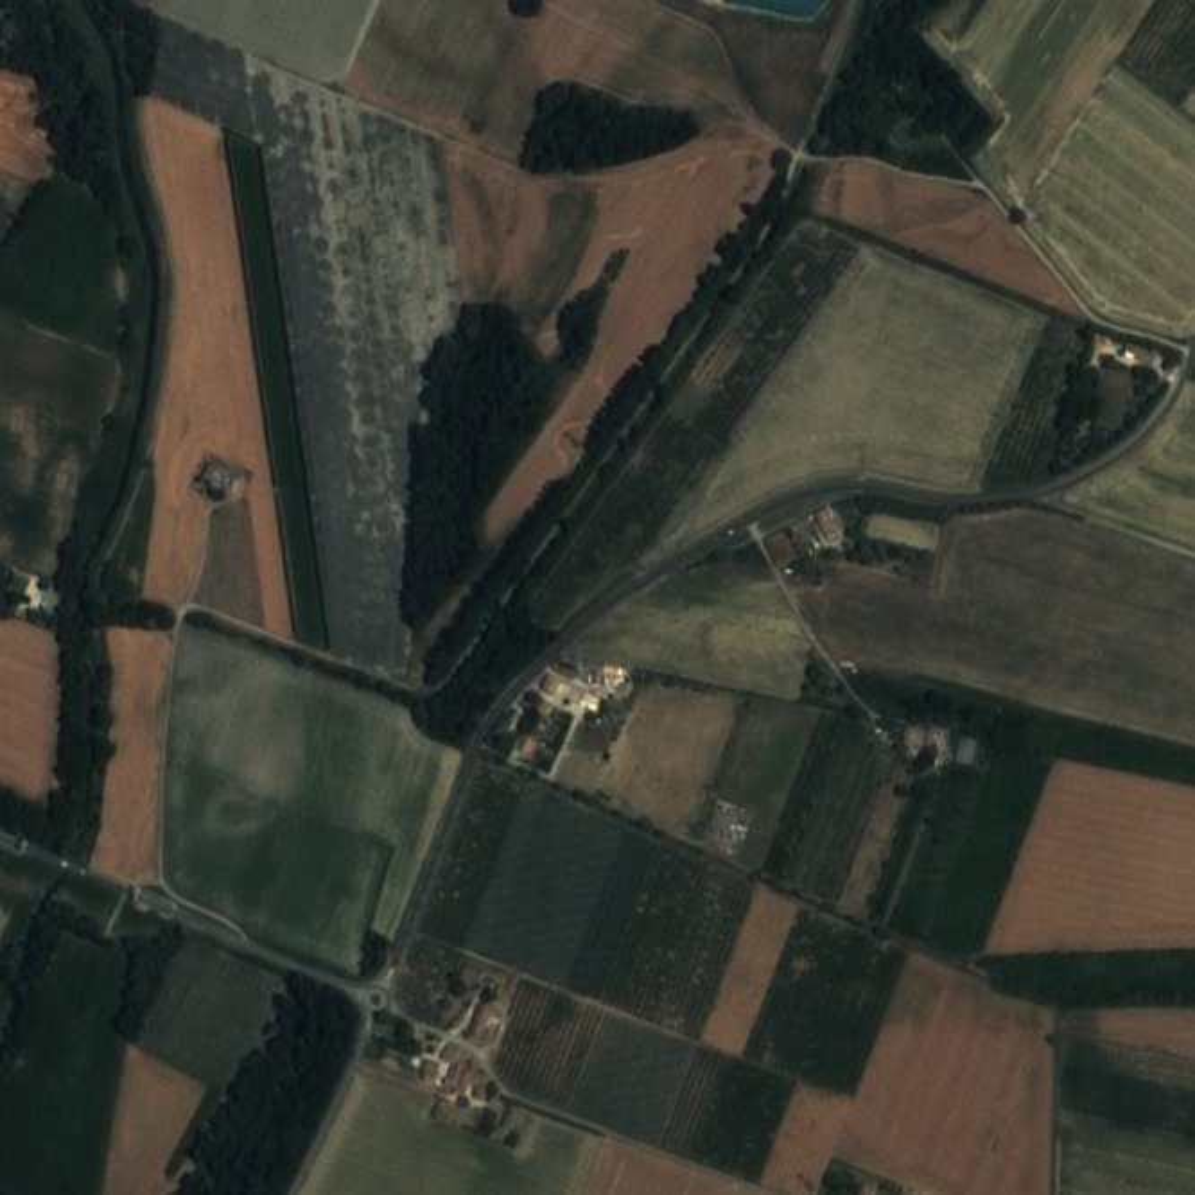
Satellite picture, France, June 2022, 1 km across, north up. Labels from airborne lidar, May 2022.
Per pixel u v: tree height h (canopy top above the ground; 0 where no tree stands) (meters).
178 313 0
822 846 0
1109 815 0
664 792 0
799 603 0
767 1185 0
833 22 0
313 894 0
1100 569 0
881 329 0
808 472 0
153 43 17
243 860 0
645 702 0
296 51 0
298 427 6
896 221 0
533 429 7
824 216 0
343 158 0
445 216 0
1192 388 0
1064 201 0
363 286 0
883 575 0
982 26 0
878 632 0
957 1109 0
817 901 10
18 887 0
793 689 0
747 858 0
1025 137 0
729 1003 0
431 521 35
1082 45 0
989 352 0
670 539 0
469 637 15
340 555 0
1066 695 0
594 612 0
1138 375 12
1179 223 0
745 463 0
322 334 0
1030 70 0
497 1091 9
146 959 23
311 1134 15
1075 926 0
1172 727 0
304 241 0
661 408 16
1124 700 0
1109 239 0
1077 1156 0
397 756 0
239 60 0
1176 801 0
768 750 0
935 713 16
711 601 0
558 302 0
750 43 0
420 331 0
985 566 0
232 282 0
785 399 0
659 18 0
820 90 0
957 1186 0
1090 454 13
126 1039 22
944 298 0
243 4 0
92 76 27
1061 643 0
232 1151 32
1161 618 0
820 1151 0
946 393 0
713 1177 0
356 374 0
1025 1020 0
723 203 0
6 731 0
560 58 0
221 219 0
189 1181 17
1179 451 0
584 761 0
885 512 9
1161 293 0
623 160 11
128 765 0
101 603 19
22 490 0
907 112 15
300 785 0
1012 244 0
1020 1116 0
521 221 0
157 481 0
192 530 0
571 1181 0
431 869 0
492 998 15
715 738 0
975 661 0
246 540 0
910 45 8
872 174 0
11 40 19
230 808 0
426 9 0
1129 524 0
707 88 0
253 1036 0
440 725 12
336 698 0
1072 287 0
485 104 0
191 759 0
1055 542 0
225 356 0
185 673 0
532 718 12
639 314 0
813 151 11
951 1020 0
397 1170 0
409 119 0
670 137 13
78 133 28
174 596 0
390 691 9
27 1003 20
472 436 20
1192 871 0
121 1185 0
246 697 0
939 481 0
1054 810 0
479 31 0
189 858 0
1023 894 0
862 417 0
